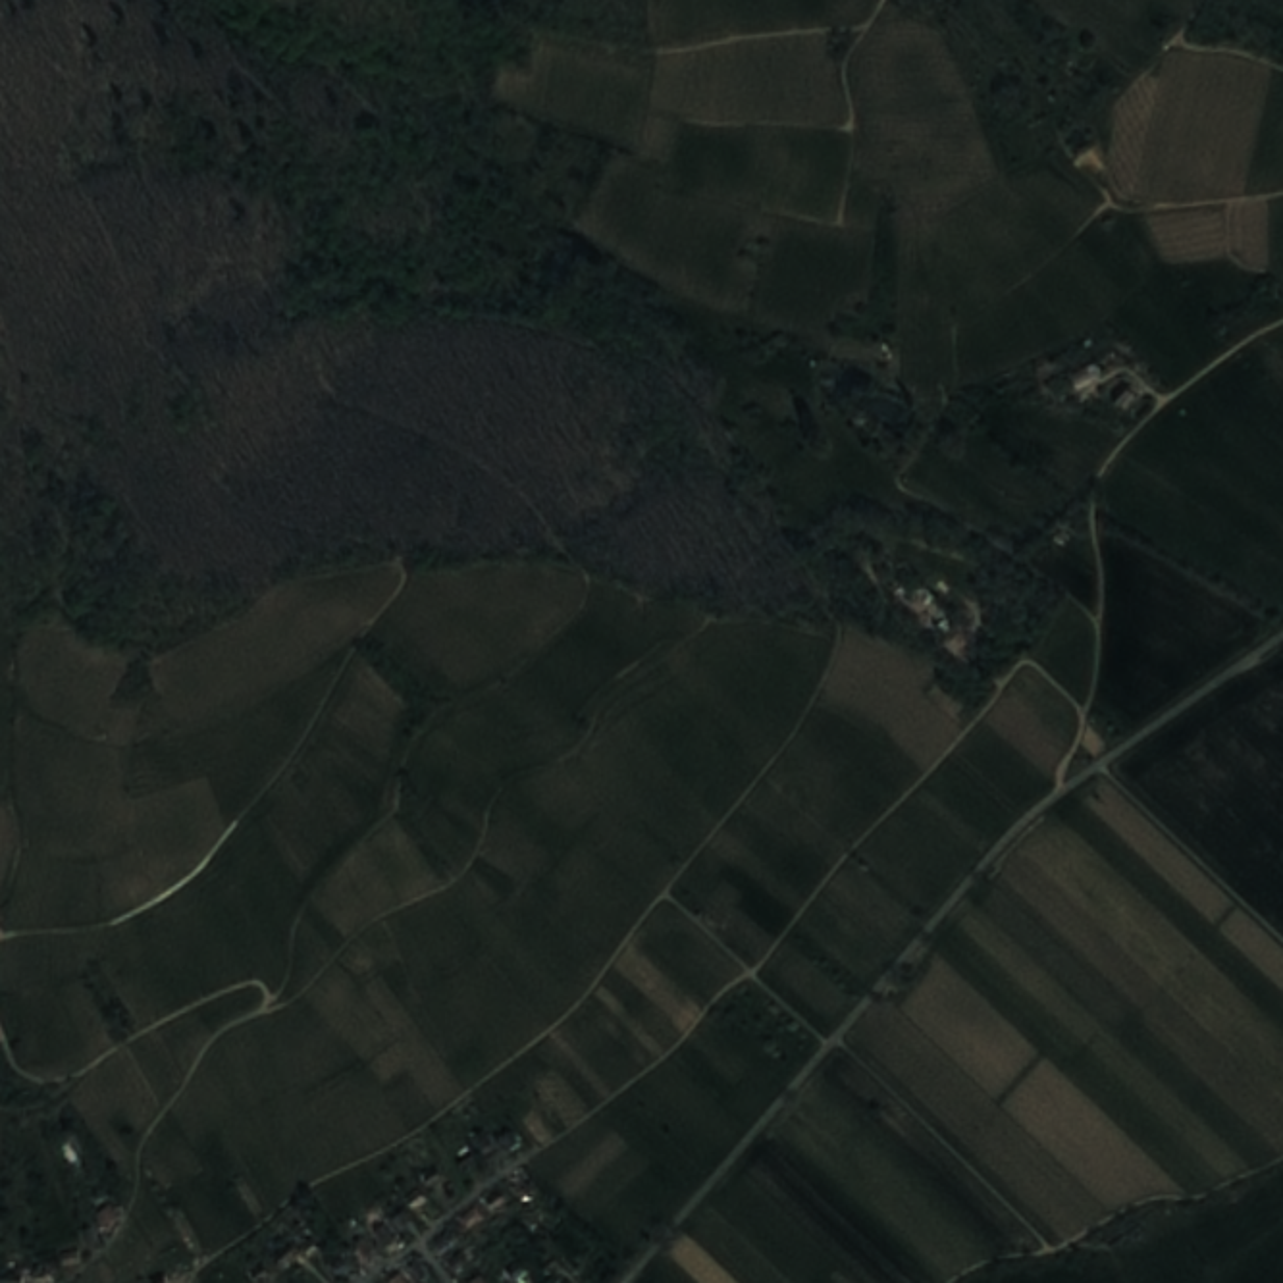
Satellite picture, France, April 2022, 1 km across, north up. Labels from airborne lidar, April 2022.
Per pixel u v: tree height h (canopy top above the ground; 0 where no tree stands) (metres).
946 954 0
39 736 0
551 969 0
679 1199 0
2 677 0
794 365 0
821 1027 0
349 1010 0
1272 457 0
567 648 0
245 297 24
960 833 0
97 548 18
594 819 0
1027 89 15
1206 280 0
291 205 22
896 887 0
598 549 19
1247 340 0
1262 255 0
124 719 0
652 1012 0
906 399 10
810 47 0
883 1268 0
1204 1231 0
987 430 10
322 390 22
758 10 0
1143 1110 0
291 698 0
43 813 0
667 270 0
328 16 19
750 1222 0
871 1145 0
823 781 0
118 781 0
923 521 17
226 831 0
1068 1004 0
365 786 0
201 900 0
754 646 0
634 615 0
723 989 0
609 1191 0
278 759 0
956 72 0
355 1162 0
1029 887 0
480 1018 0
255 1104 0
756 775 0
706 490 24
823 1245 0
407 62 28
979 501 0
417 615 0
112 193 19
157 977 0
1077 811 0
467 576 0
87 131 19
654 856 0
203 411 10
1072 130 11
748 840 0
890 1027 0
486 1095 0
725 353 0
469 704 0
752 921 0
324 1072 0
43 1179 8
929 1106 0
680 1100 0
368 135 12
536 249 5
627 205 0
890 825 0
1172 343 0
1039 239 0
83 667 0
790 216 0
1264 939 0
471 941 0
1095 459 0
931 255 0
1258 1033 0
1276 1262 0
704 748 0
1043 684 0
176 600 12
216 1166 0
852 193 0
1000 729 0
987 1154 0
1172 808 0
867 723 0
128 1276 0
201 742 0
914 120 0
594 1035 0
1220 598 0
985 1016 0
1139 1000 0
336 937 0
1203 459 0
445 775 0
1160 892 0
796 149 0
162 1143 0
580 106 0
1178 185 0
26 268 17
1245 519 0
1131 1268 0
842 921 0
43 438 15
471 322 22
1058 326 0
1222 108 0
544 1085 0
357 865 0
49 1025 0
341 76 12
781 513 13
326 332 22
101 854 0
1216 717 0
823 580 18
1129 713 0
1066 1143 0
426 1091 0
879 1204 0
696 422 24
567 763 0
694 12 0
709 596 18
